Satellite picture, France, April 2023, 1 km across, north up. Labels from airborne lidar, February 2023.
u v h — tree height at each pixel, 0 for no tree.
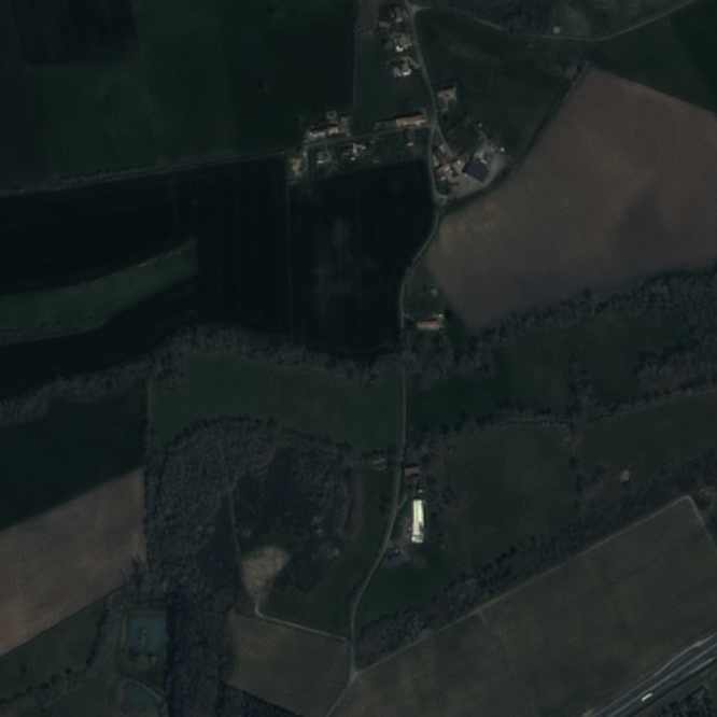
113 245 0
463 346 0
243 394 0
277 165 0
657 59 0
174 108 0
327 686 0
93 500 0
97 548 0
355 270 0
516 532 0
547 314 11
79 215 0
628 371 0
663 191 0
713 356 22
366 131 0
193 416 0
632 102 0
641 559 0
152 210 0
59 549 0
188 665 19
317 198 0
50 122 0
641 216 0
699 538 0
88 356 0
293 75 0
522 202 0
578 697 0
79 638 0
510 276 0
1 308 0
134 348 0
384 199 0
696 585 0
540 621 0
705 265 0
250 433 8
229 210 0
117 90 0
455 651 0
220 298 0
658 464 0
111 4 0
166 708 11
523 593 0
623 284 0
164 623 0
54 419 0
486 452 0
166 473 14
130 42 0
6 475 0
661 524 0
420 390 14
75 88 0
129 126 0
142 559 0
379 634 12
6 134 0
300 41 0
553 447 0
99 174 7
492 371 15
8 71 0
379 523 0
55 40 0
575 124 0
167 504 12
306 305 0
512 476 0
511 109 0
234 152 0
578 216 0
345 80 0
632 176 0
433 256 0
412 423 0
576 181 0
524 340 0
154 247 0
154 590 22
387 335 0
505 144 0
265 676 0
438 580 0
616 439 0
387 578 0
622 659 0
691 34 0
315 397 0
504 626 0
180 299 0
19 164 0
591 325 0
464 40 0
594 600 0
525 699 0
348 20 0
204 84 0
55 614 0
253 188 0
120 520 0
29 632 0
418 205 0
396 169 0
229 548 0
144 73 0
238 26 0
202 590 10
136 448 0
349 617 11
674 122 0
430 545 0
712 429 0
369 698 0
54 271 0
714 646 0
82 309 0
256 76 0
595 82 0
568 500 0
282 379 0
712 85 0
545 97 0
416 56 0
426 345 18
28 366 0
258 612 0
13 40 0
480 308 0
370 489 0
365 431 0
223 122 0
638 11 0
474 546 0
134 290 0
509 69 0
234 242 0
